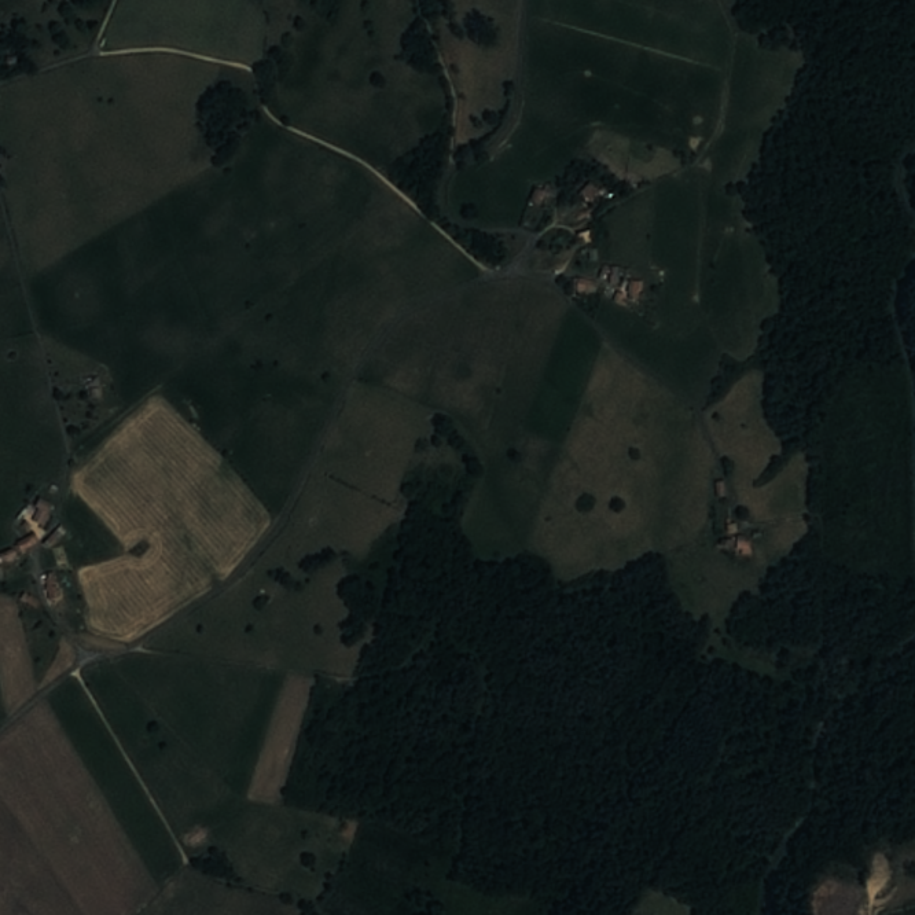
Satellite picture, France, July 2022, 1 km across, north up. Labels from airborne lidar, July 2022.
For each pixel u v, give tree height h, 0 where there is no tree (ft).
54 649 0
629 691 76
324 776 32
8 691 0
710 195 0
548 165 0
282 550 0
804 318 53
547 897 26
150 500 0
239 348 0
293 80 0
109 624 0
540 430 0
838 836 54
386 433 0
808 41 34
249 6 0
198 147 0
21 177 0
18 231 0
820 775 77
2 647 0
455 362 0
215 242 0
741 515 45
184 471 0
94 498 0
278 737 0
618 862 43
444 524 45
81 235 0
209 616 0
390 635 44
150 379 0
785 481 0
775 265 64
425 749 74
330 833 0
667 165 0
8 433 0
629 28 0
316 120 0
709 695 53
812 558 62
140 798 0
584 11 0
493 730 47
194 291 0
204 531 0
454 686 77
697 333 0
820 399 72
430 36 27
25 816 0
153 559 0
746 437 0
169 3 0
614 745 94
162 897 0
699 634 80
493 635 51
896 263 36
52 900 0
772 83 0
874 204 74
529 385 0
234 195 0
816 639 79
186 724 0
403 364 0
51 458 0
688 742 81
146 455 0
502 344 0
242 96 36
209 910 0
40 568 0
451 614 73
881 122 74
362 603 57
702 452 0
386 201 0
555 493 0
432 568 90
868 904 0
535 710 67
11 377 0
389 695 60
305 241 0
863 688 65
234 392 0
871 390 0
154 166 0
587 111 0
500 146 0
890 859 58
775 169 55
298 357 0
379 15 0
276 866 0
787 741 65
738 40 0
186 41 0
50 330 0
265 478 0
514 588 70
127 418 0
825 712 88
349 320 0
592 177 32
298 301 0
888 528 0
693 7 0
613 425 0
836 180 82
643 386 0
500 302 0
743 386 0
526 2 0
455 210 0
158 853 0
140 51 0
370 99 0
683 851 51
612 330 0
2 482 0
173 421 0
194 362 0
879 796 71
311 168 0
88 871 0
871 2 66
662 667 73
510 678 30
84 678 0
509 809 64
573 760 62
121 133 0
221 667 0
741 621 47
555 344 0
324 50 0
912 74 69
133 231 0
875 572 0
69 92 0
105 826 0
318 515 0
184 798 0
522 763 46
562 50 0
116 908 0
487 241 45
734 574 0
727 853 59
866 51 66
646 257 0
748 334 0
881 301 55
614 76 0
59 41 46
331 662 0
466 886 77
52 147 0
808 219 61
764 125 0
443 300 0
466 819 56
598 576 35
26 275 0
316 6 34
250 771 0
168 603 0
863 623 82
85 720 0
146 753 0
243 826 0
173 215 0
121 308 0
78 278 0
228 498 0
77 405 0
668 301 0
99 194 0
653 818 25
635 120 0
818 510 56
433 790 60
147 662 0
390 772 56
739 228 0
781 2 47
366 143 0
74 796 0
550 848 78
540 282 0
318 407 0
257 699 0
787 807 63
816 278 87
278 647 0
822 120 54
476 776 65
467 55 0
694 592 0
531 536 0
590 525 0
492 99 0
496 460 0
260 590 0
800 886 35
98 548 0
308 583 21
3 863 0
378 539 0
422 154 23
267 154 0
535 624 61
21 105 0
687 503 0
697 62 0
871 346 71
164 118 0
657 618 72
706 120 0
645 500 0
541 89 0
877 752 59
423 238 0
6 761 0
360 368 0
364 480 0
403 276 0
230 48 0
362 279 0
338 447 0
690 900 43
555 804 68
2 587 25
